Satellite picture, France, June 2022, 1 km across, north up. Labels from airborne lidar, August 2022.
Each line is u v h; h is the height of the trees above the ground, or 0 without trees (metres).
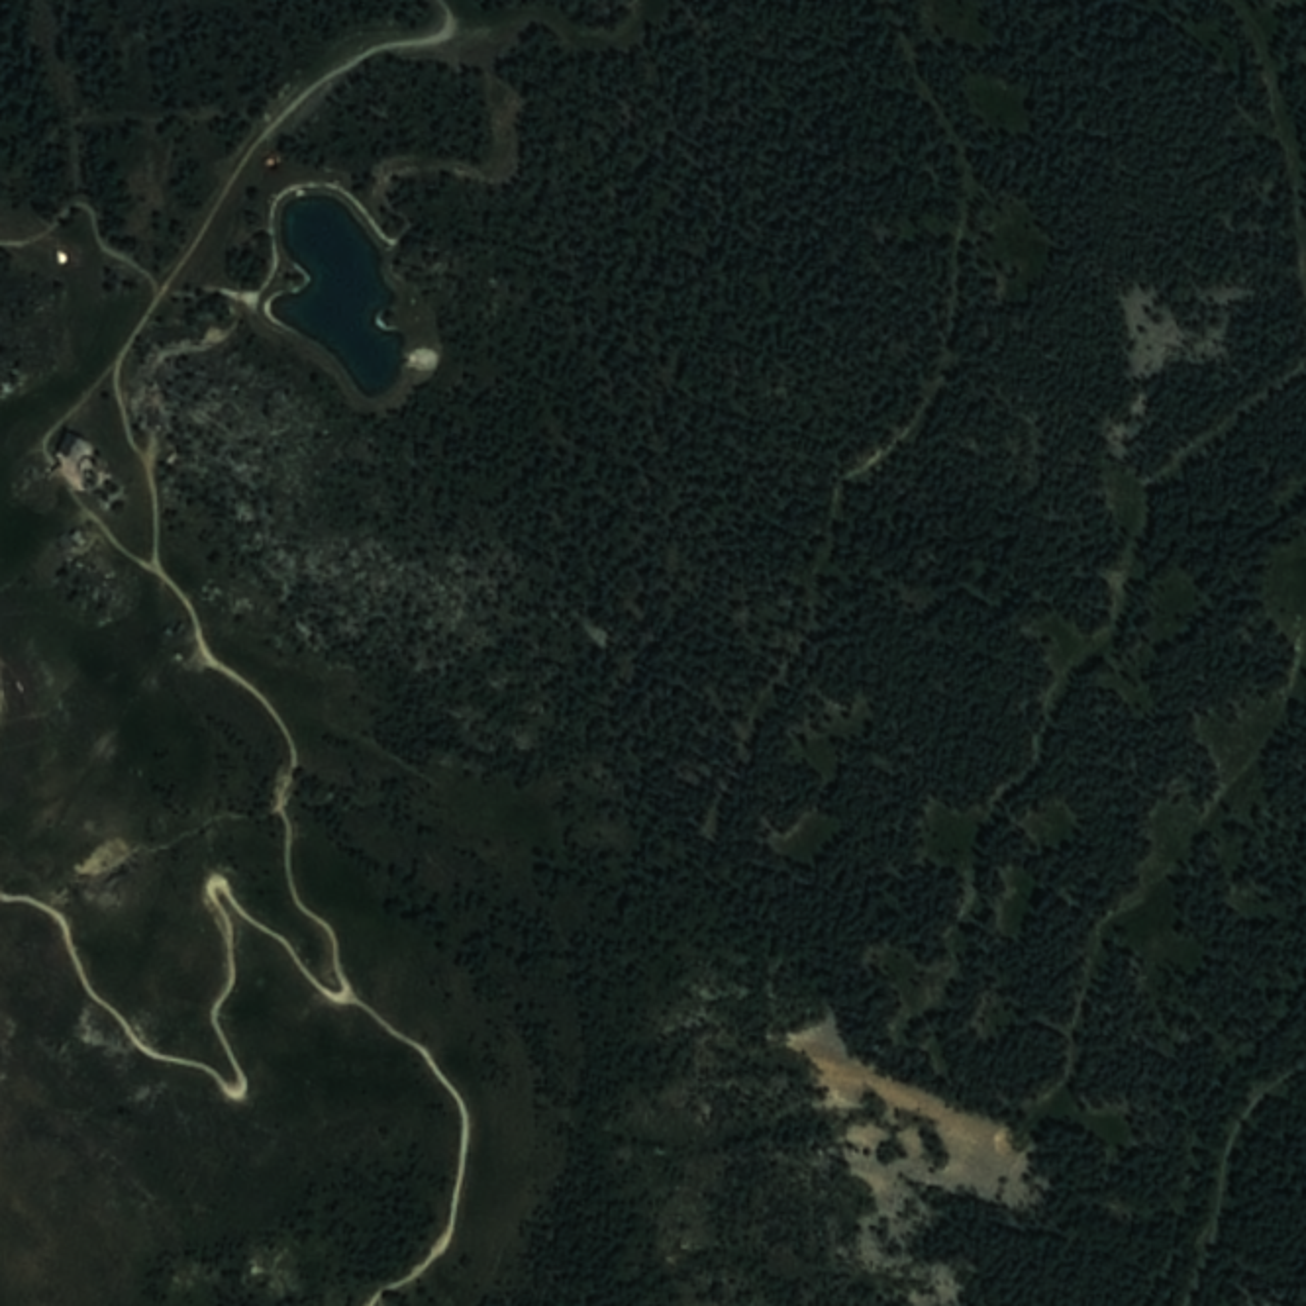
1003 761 20
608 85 14
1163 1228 18
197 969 0
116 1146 0
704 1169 0
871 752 21
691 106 18
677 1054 10
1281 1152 25
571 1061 7
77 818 0
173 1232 0
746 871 24
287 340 0
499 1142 0
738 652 22
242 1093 0
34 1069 0
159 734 0
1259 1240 20
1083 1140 24
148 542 0
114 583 0
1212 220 19
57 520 0
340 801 10
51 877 0
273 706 0
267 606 0
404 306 0
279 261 0
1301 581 0
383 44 0
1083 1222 28
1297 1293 18
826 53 22
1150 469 17
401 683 14
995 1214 23
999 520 28
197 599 0
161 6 11
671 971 9
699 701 21
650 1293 17
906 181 25
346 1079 0
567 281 22
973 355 20
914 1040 23
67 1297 0
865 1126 0
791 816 20
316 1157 0
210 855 0
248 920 0
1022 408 15
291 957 0
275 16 7
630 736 18
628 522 22
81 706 0
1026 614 25
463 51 0
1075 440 23
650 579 18
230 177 0
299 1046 0
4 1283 0
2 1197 0
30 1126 0
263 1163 0
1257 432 15
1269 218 19
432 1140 0
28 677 0
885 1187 0
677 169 23
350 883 0
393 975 0
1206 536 22
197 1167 0
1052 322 23
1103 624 23
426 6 22
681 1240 0
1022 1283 23
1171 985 13
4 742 0
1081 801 24
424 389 12
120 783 0
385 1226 10
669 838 21
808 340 19
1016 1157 0
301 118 0
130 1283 0
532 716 6
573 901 0
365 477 13
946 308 24
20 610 0
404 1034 0
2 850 0
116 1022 0
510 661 14
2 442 0
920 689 24
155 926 0
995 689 18
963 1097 25
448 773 0
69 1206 0
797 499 14
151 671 0
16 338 0
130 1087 0
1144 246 17
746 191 20
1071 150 26
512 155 0
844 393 9
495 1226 0
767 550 20
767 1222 7
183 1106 0
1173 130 21
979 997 21
